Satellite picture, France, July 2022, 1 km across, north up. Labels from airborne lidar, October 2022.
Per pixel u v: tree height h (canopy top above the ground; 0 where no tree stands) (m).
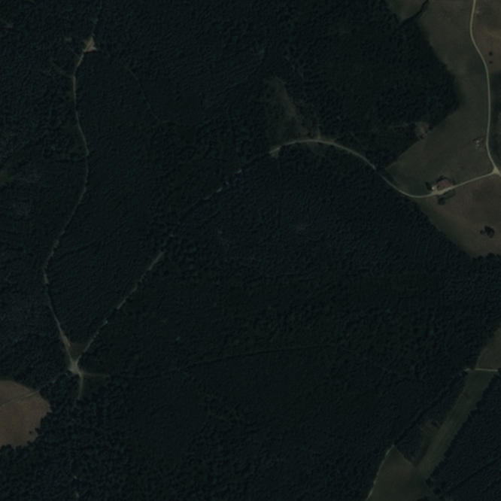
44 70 31
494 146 0
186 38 25
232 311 8
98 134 11
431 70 6
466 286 22
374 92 6
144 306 7
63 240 15
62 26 29
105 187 16
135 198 18
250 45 13
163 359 12
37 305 19
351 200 24
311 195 25
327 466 16
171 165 18
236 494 18
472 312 8
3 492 24
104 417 31
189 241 20
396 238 19
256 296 12
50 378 27
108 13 27
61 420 30
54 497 35
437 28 0
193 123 13
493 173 0
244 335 9
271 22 22
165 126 10
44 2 33
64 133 6
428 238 17
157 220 24
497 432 21
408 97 10
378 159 9
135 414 15
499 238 0
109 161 16
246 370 13
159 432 13
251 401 13
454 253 17
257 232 23
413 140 15
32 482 18
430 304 12
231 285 6
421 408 19
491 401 23
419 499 0
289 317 14
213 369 10
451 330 10
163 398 15
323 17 16
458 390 24
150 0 27
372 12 10
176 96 17
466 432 22
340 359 19
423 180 0
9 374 26
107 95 16
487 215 0
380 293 12
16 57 36
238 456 25
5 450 19
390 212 23
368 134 7
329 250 17
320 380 12
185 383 14
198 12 25
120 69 13
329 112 10
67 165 21
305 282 14
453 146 0
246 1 21
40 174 19
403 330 18
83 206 14
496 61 0
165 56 25
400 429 16
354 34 12
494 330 22
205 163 9
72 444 24
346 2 16
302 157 16
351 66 6
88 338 14
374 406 15
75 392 8
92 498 31
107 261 20
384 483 0
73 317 25
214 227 24
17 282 25
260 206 26
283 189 23
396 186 8
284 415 15
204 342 8
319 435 21
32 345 29
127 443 6
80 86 11
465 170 0
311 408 12
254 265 21
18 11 11
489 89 0
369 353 14
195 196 7
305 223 24
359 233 20
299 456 21
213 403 18
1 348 24
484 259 15
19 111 33
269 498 20
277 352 10
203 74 24
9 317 25
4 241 18
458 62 0
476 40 0
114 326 7
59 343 29
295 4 10
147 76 19
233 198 26
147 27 29
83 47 32
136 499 9
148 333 7
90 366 21
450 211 0
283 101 0
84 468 25
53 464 35
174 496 9
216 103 14
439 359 16
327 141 0
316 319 16
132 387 17
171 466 6
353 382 12
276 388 13
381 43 7
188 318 12
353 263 26
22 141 27
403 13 0
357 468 29
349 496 16
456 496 24
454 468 22
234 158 8
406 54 7
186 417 15
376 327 15
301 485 25
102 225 17
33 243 13
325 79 7
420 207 13
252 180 20
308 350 8
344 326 12
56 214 13
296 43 9
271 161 18
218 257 16
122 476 26
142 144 15
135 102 16
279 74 13
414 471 0
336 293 7
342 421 16
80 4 30
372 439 24
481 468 23
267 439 19
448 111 18
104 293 24
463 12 0
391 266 24
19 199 16
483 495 23
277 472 16
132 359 8
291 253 15
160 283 7
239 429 14
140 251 18
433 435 0
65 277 22
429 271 22
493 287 24
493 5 0
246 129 6
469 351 11
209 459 22
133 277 19
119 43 27
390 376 13
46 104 26
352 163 6
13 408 0
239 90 22
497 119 0
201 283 7
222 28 16
